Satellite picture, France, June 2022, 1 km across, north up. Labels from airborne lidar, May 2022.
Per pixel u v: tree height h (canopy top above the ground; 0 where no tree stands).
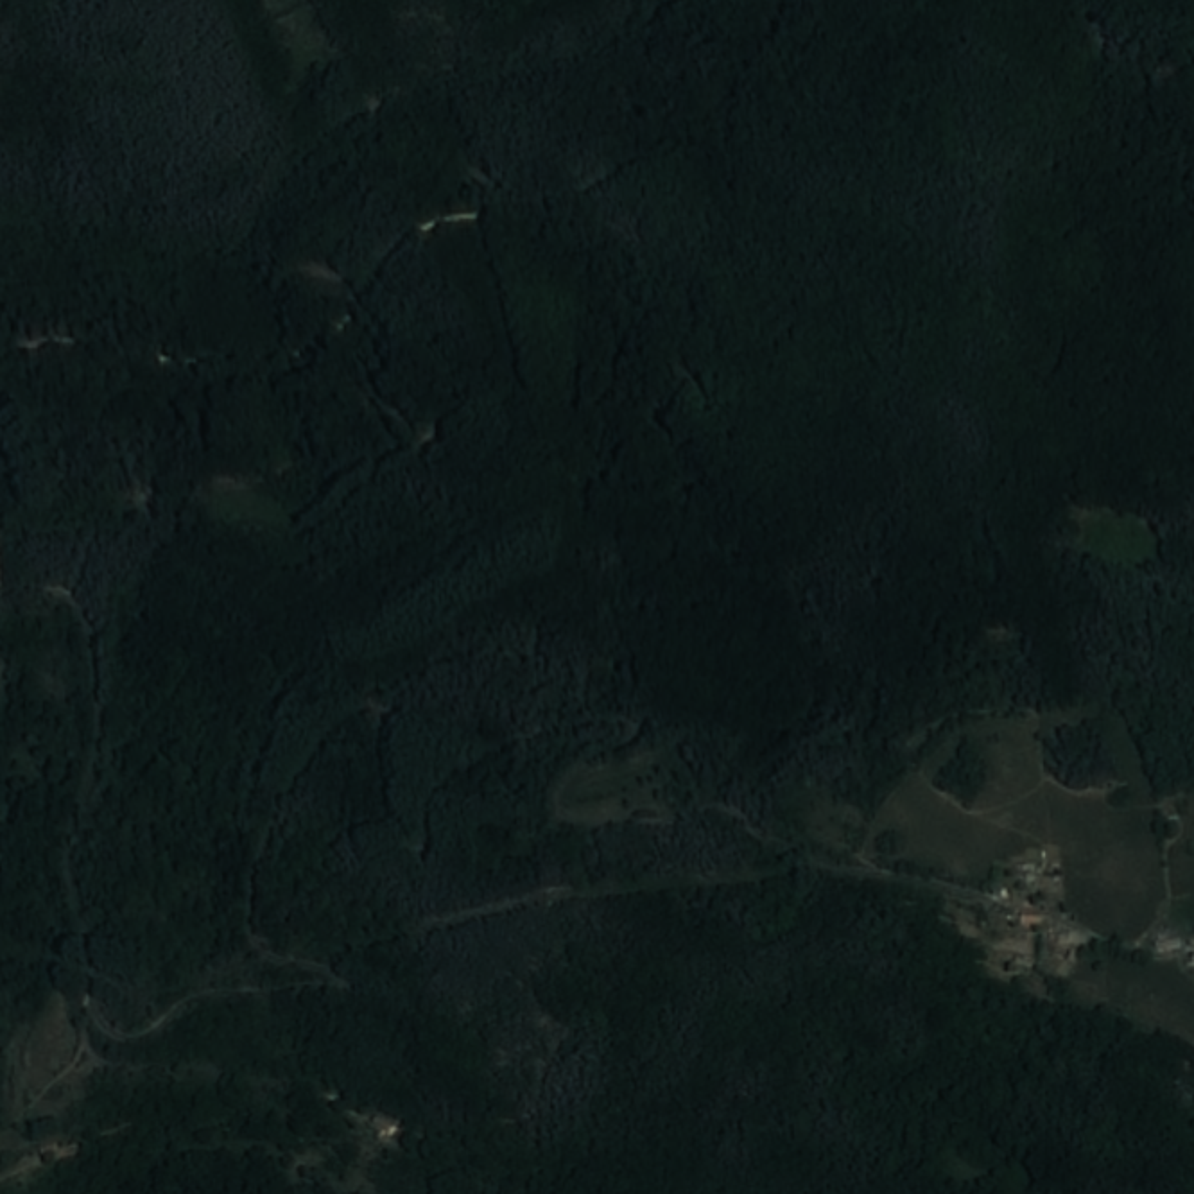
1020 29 14
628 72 27
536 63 19
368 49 24
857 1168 21
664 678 26
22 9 19
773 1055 20
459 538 18
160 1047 10
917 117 23
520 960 12
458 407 17
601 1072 17
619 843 13
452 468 28
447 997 13
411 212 12
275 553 11
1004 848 0
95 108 17
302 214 24
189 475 23
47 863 15
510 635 21
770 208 25
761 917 14
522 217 16
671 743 21
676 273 17
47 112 27
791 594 22
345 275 20
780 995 20
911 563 21
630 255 13
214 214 23
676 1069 22
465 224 10
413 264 13
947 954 9
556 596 18
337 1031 18
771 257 26
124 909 13
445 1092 19
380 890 15
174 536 9
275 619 23
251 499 0
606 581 20
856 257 25
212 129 19
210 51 21
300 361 14
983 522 20
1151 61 13
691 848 18
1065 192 29
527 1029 13
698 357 26
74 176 25
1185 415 30
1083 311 36
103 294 9
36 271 11
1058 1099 14
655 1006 22
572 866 13
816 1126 21
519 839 11
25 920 11
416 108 10
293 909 13
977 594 14
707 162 21
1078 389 29
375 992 22
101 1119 6
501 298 9
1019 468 21
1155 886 0
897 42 17
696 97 25
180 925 10
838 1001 28
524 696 14
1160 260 29
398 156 13
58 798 12
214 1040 9
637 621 23
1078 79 14
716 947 25
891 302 26
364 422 19
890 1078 14
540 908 10
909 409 24
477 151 24
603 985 22
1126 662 19
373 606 19
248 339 11
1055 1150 21
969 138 13
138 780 8
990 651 7
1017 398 21
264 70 15
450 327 20
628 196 16
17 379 20
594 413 32
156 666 19
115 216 19
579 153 25
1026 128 21
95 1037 6
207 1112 12
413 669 22
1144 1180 21
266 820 14
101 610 19
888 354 22
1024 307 20
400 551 14
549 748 11
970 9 11
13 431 30
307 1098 16
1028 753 0
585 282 31
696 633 17
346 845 15
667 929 19
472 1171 11
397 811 29
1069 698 16
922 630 20
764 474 29
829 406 24
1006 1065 10
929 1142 20
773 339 23
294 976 10
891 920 24
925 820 0
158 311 16
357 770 25
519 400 13
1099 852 0
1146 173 28
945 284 25
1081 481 29
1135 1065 16
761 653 24
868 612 21
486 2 16
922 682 15
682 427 22
